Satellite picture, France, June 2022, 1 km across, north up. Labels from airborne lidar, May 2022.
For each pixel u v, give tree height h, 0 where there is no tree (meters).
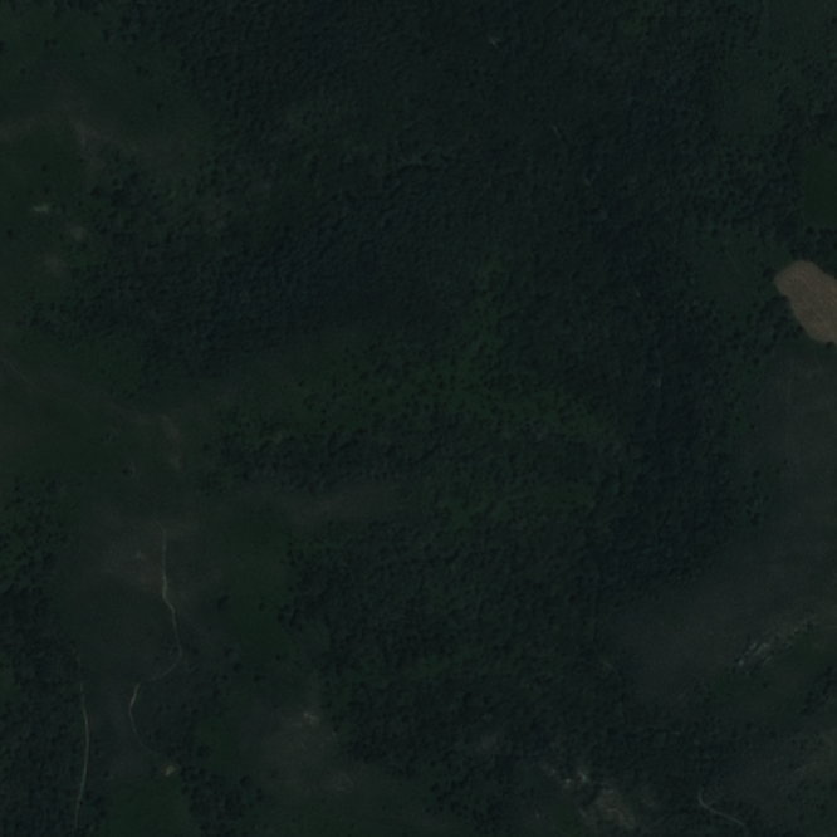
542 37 15
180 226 11
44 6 9
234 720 0
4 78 0
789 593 0
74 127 0
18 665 12
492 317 8
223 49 17
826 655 0
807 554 0
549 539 18
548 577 23
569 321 17
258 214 14
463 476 8
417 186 21
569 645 21
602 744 12
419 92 12
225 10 16
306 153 14
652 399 19
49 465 0
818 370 0
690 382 11
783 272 0
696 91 12
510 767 12
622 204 18
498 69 15
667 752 13
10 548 9
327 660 9
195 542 0
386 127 11
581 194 19
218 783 14
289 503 0
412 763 10
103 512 0
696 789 13
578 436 10
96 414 0
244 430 8
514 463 14
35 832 17
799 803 6
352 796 0
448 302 8
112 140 0
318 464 17
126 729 0
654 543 18
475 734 11
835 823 0
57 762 14
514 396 9
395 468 9
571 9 11
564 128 14
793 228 19
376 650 12
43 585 16
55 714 11
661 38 13
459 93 11
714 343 12
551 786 0
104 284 13
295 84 14
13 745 13
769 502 8
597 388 13
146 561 0
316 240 14
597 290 14
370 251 11
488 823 13
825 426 0
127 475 11
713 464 8
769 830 7
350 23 14
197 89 9
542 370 9
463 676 14
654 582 7
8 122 0
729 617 0
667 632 0
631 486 15
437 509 9
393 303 9
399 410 12
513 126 21
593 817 0
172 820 0
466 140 22
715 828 16
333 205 25
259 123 10
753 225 14
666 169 8
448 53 18
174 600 0
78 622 0
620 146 11
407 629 12
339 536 8
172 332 14
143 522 0
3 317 0
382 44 12
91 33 0
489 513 11
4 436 0
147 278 19
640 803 8
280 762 0
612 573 13
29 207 0
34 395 0
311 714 0
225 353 8
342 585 13
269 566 0
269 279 15
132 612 0
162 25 7
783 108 8
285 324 10
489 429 11
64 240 8
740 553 0
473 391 10
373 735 12
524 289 13
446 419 13
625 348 18
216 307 17
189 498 0
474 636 14
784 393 0
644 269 17
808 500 0
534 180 9
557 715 15
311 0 14
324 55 11
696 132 10
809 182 0
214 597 0
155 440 0
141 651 0
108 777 11
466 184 16
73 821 10
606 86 15
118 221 16
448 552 16
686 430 12
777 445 0
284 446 16
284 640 0
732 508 7
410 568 16
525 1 13
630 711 11
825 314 0
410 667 10
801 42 0
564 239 19
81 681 10
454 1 19
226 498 0
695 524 12
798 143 7
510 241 11
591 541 20
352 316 8
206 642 0
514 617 19
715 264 0
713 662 0
